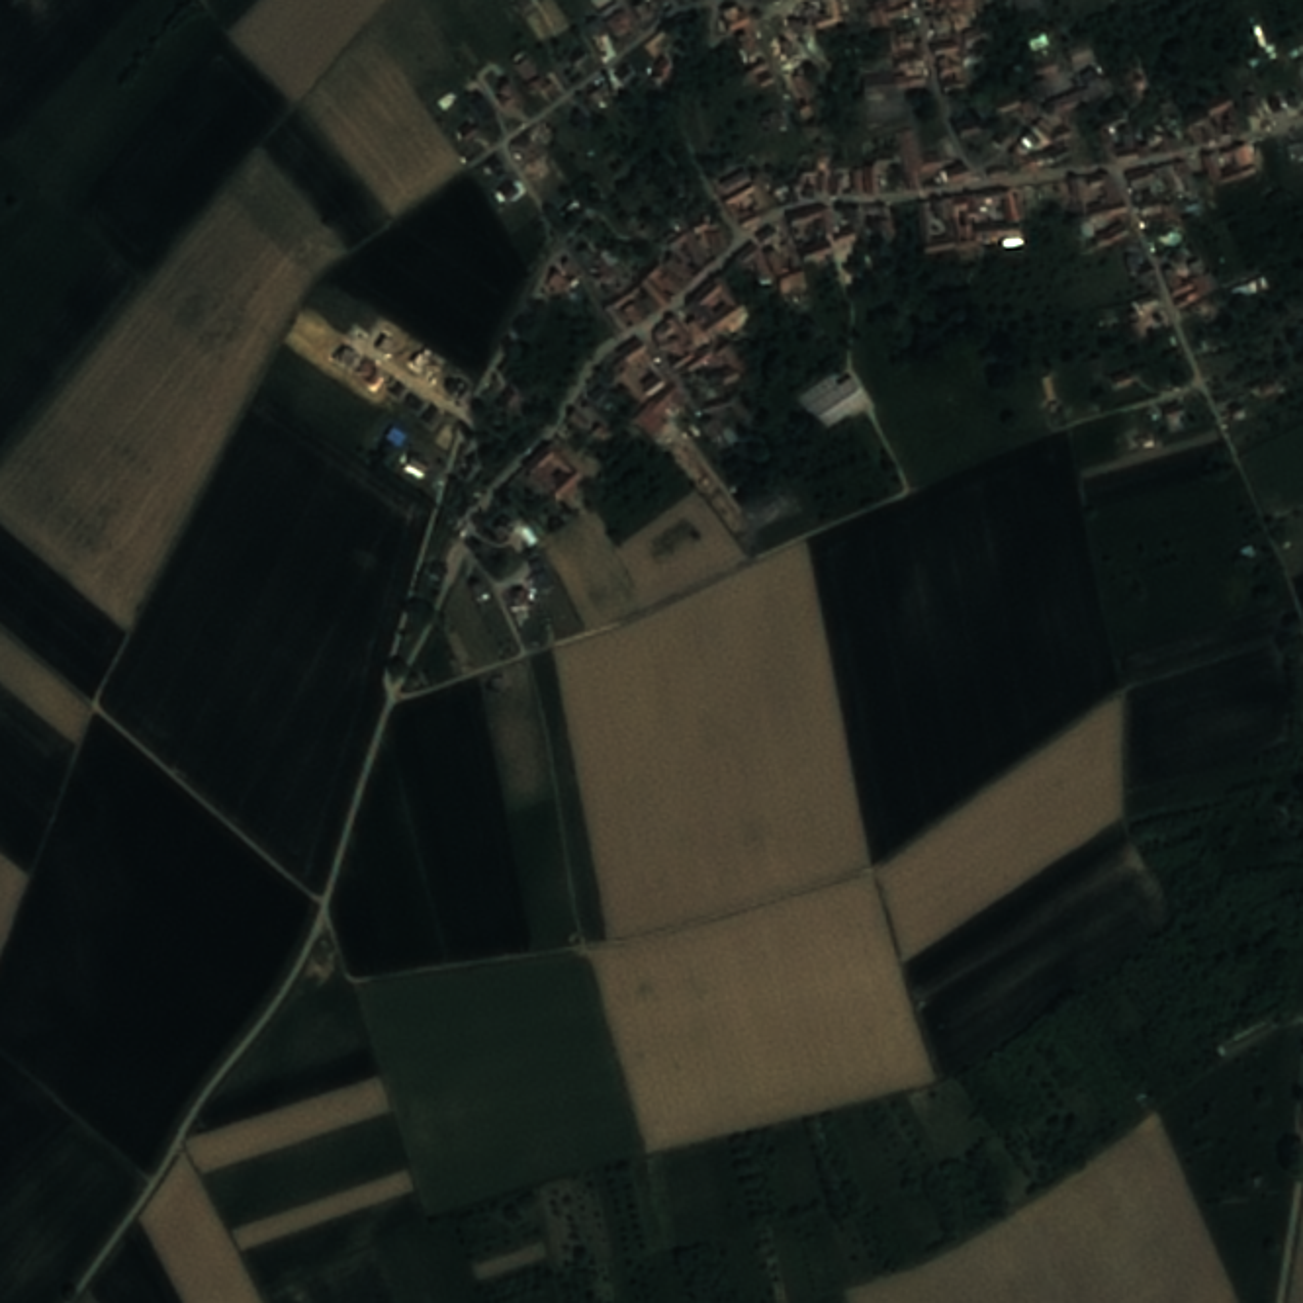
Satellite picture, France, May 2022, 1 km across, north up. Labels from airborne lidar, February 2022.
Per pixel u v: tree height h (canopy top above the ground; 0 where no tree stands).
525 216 0
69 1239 0
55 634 0
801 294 0
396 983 0
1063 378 0
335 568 0
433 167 0
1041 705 0
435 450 0
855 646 0
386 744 0
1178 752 0
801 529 0
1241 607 0
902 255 14
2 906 0
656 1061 0
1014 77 10
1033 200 0
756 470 17
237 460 0
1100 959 0
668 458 7
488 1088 0
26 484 0
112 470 0
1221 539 0
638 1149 0
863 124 0
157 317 0
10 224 0
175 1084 0
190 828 0
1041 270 0
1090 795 0
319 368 0
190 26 0
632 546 0
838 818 0
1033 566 0
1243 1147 0
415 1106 0
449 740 0
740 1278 0
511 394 0
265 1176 0
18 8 0
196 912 0
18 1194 0
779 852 0
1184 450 0
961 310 10
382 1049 0
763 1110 0
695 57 12
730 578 0
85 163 0
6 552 0
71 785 0
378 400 0
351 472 0
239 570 0
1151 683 0
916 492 0
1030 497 0
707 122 0
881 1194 0
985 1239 0
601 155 0
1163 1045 6
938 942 0
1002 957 0
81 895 0
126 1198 0
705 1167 0
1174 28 9
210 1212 0
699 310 0
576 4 0
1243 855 0
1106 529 0
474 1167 0
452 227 0
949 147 0
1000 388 17
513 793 0
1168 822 9
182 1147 0
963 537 0
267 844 0
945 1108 0
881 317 12
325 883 0
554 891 0
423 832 0
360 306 0
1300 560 0
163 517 0
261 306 0
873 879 0
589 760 0
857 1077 0
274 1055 0
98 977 0
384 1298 0
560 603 0
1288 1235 0
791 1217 7
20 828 0
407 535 0
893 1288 0
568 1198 6
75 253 0
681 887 0
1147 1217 0
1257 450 0
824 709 0
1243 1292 0
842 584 0
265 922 0
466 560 0
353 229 0
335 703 0
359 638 0
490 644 0
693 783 0
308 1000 0
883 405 0
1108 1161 0
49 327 0
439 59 0
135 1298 0
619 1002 0
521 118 0
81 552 0
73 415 0
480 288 0
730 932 0
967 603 0
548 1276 7
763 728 0
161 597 0
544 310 12
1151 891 0
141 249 0
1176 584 0
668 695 0
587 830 0
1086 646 0
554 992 0
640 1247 6
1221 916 6
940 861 0
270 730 0
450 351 0
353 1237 0
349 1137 0
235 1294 0
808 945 0
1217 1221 0
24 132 0
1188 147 0
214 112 0
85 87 0
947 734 0
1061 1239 0
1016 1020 0
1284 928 8
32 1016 0
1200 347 0
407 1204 0
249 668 0
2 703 0
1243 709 0
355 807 0
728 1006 0
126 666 0
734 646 0
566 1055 0
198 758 0
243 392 0
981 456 0
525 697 0
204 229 0
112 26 0
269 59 0
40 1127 0
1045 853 0
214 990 0
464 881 0
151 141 0
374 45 0
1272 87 0
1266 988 7
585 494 12
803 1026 0
